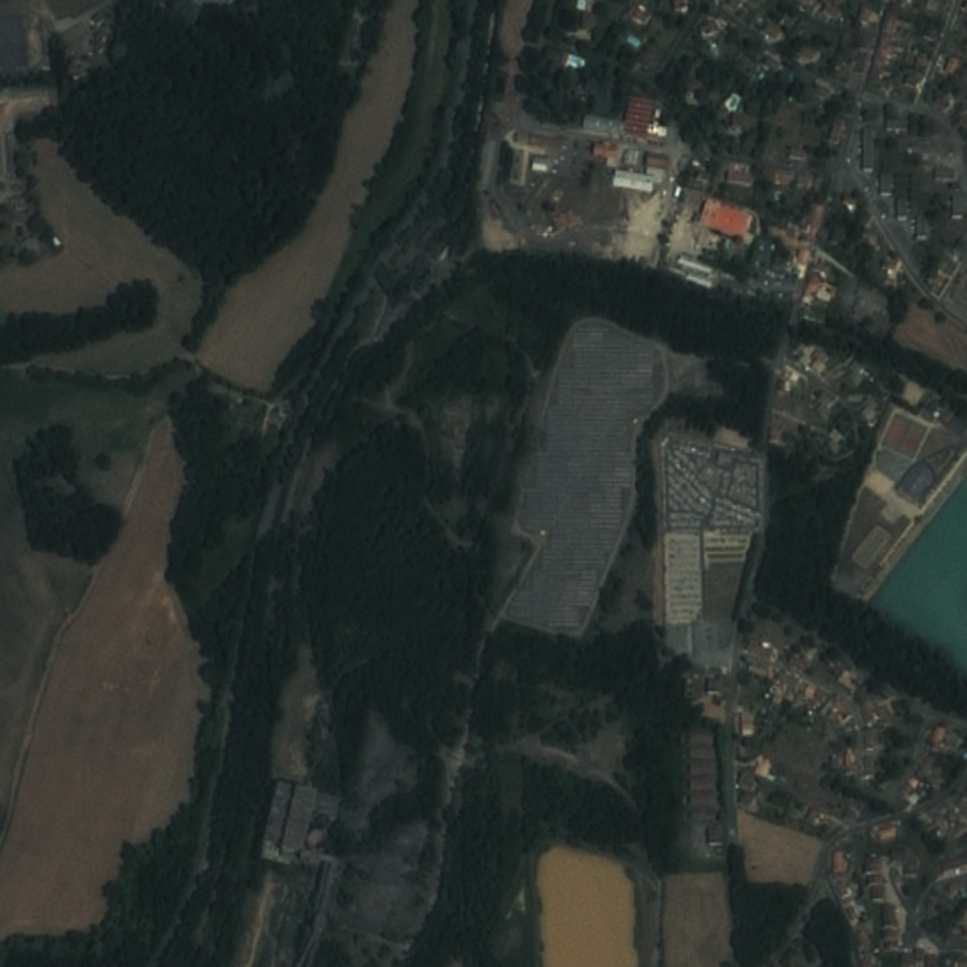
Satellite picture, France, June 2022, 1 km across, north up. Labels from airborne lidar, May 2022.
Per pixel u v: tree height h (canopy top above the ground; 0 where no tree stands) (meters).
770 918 16
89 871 0
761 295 8
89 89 20
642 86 6
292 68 13
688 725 8
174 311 0
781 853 0
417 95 9
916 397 0
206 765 17
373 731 0
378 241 15
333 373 16
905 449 0
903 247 0
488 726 17
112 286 0
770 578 15
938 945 0
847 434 10
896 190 8
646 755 11
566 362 0
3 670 0
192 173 23
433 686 14
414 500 16
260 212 26
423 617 17
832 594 22
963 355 0
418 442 22
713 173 6
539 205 0
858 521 0
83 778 0
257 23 21
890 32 0
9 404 0
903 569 0
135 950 15
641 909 0
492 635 11
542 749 0
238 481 11
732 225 0
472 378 12
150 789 0
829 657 13
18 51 0
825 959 15
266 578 16
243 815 16
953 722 0
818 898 0
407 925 0
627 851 7
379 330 0
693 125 14
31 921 0
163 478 0
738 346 15
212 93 18
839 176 0
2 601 0
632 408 0
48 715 0
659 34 5
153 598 0
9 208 9
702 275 0
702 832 0
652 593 0
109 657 0
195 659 0
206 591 0
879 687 17
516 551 0
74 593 0
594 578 0
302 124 28
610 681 13
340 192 0
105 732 0
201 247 21
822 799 0
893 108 11
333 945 15
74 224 0
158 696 0
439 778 9
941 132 0
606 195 0
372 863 0
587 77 22
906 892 16
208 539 11
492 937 13
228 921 9
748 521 0
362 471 17
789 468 6
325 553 20
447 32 0
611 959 0
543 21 15
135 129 24
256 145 26
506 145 6
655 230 0
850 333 9
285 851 0
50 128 19
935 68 0
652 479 8
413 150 0
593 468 0
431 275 13
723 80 8
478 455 10
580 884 0
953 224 0
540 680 8
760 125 6
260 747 15
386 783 0
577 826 18
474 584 20
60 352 14
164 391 0
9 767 0
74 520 22
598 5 11
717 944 0
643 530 13
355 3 29
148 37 21
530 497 0
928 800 8
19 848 0
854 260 6
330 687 11
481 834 13
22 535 0
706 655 0
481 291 0
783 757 0
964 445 0
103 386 9
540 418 0
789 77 14
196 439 18
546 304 10
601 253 0
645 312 14
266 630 17
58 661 0
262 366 0
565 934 0
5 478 0
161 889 11
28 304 0
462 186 18
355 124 0
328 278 0
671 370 0
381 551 16
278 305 0
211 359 0
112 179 19
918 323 0
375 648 13
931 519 0
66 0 0
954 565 0
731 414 14
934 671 16
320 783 11
